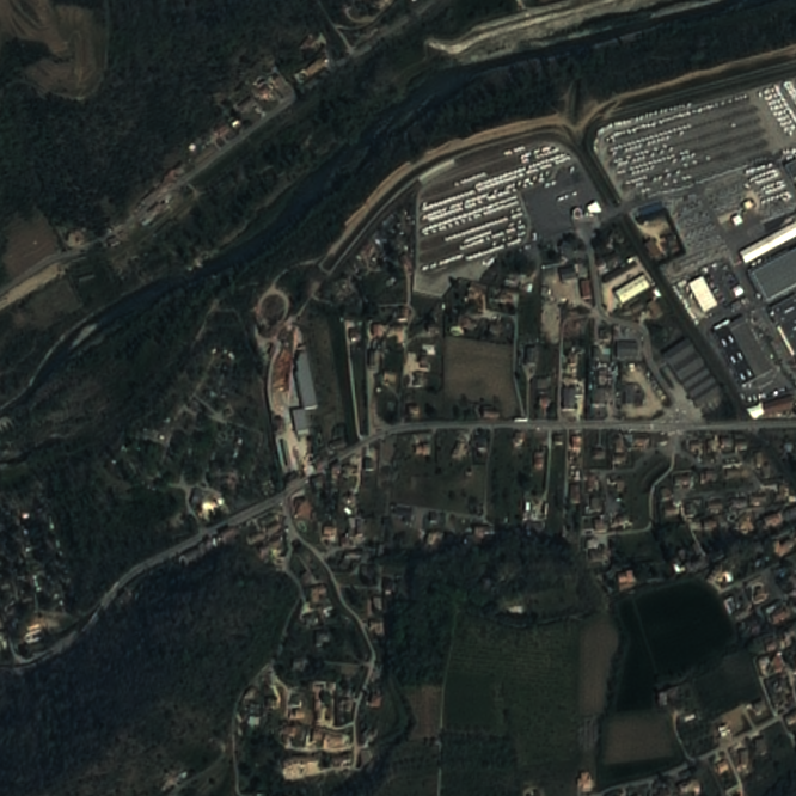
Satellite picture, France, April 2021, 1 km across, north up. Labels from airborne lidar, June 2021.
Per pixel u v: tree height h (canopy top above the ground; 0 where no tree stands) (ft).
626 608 0
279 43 42
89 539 62
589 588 95
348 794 71
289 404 0
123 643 35
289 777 0
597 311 0
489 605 55
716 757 0
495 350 0
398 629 49
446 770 32
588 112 0
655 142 0
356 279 25
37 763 52
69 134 21
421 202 0
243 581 42
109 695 35
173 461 77
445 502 0
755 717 0
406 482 0
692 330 0
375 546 22
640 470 0
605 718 27
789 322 0
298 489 0
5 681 60
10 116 36
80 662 39
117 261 0
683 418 0
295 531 0
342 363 0
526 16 0
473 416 36
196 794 52
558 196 0
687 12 0
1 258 39
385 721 0
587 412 23
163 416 27
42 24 0
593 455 0
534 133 0
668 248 38
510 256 27
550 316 0
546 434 0
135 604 32
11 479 0
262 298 0
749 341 0
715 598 0
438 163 0
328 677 54
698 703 0
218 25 37
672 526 24
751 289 0
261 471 42
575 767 0
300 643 56
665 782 51
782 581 29
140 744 18
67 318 39
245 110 20
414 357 0
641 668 0
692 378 0
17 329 35
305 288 24
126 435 21
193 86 60
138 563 40
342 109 57
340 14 25
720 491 0
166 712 22
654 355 0
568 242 29
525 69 24
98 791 25
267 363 40
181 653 26
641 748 0
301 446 0
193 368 31
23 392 75
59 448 26
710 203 0
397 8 24
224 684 31
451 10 21
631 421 0
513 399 0
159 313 20
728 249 0
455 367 0
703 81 0
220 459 34
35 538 68
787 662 19
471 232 0
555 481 0
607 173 0
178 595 27
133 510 41
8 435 23
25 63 24
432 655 67
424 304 0
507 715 21
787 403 0
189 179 0
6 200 38
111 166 34
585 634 0
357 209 24
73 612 64
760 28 27
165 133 25
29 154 73
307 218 46
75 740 48
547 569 86
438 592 75
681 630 0
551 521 0
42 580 21
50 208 34
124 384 0
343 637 24
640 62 36
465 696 0
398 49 52
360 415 0
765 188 0
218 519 47
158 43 42
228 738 48
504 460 0
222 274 19
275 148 67
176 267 29
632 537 0
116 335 26
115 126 33
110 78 38
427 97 0
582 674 0
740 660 0
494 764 31
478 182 0
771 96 0
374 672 0
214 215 31
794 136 0
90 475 44
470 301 21
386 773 42
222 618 34
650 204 0
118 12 59
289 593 26
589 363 24
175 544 30
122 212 25
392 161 57
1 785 47
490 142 0
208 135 33
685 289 0
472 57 0
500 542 49
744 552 90
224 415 20
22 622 66
